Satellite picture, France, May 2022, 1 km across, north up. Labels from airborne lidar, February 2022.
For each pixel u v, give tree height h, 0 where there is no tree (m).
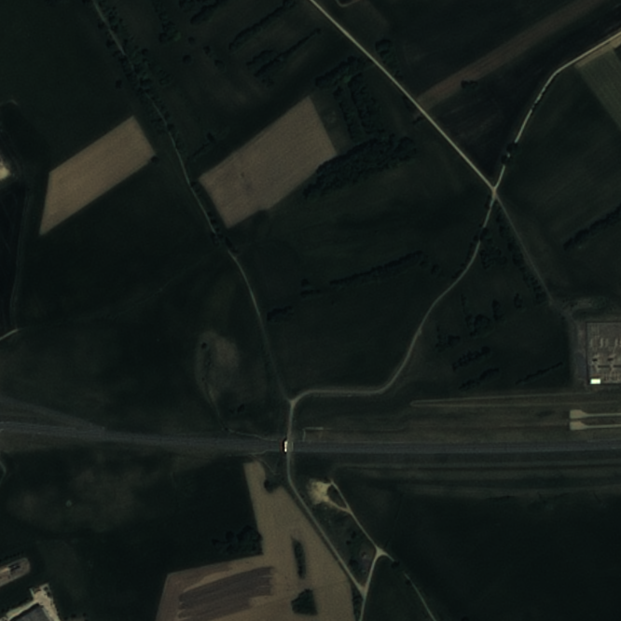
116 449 0
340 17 0
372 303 0
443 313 0
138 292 0
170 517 0
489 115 0
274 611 0
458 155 0
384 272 12
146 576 0
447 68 0
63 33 0
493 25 0
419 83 0
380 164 17
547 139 0
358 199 0
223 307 0
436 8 0
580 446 0
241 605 0
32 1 0
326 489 0
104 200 0
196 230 0
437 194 0
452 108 0
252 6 0
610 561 0
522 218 0
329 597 0
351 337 0
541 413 0
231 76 0
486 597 0
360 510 0
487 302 0
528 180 0
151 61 11
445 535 0
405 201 0
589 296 0
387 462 0
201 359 0
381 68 0
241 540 16
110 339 0
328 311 0
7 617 0
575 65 0
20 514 0
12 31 0
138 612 0
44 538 0
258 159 0
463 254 0
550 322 0
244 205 0
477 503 0
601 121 0
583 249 0
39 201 0
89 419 0
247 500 0
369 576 0
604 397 0
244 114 0
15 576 0
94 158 0
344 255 0
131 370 0
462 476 0
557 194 0
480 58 0
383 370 0
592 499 0
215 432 0
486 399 0
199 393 0
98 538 0
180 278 0
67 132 0
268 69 16
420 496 0
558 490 0
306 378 0
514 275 0
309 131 0
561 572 0
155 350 0
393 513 0
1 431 0
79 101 0
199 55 0
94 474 0
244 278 0
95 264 0
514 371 0
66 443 0
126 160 0
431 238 0
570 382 0
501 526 0
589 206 0
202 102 0
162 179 0
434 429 0
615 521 0
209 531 0
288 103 0
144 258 0
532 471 0
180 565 0
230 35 0
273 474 0
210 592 0
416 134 0
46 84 0
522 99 0
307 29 0
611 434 0
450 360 0
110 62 0
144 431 0
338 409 0
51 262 0
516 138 0
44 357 0
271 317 13
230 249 8
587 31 0
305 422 0
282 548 0
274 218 0
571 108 0
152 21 0
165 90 0
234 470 0
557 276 0
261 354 0
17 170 0
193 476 0
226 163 0
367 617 0
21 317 0
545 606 0
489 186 0
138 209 0
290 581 0
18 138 0
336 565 0
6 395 0
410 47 0
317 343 0
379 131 16
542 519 0
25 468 0
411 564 0
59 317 0
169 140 0
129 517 0
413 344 0
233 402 0
